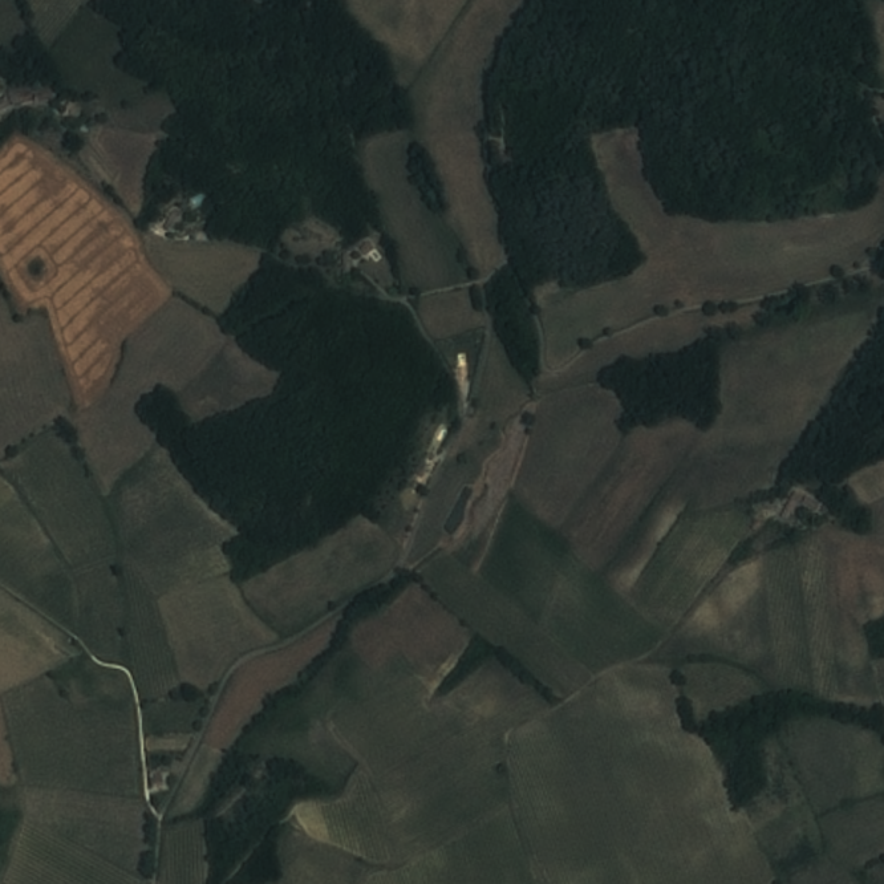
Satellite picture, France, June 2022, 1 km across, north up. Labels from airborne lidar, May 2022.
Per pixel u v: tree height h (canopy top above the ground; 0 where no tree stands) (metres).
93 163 0
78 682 0
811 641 0
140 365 0
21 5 15
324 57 19
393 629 0
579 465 0
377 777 0
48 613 0
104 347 0
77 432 21
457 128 0
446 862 0
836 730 0
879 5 0
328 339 9
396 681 0
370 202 16
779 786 0
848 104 19
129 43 22
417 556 0
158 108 0
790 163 16
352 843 0
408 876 0
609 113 13
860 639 0
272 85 19
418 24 0
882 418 13
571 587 0
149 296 0
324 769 0
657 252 0
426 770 0
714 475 0
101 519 0
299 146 18
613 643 0
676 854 0
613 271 16
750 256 0
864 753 0
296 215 11
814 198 13
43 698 0
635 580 0
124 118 0
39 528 0
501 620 0
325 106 21
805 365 0
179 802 0
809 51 15
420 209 0
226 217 15
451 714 0
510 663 13
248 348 16
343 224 8
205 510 0
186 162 14
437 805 0
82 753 0
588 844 0
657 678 0
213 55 19
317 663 15
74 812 0
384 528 0
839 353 0
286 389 8
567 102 6
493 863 0
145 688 0
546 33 16
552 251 18
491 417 0
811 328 0
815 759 0
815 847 0
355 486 6
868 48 14
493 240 0
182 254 0
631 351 0
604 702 0
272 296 19
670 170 17
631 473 0
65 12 0
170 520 0
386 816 0
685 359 23
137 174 0
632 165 0
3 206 0
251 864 7
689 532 0
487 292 7
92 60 0
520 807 0
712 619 0
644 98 19
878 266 24
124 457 0
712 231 0
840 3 13
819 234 0
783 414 0
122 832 0
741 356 0
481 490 0
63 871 0
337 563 0
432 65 0
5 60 18
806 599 0
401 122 23
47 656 0
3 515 0
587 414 0
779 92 18
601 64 15
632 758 0
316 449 20
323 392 6
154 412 15
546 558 0
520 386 0
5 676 0
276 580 0
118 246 0
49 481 0
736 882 0
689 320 0
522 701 0
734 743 6
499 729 0
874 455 13
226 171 11
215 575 0
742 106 20
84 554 0
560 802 0
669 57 26
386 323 5
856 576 0
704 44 18
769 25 15
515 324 8
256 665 0
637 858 0
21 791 0
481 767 0
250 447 12
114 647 0
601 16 20
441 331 0
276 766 20
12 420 0
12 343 0
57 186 0
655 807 0
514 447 0
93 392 0
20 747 0
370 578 0
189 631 0
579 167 14
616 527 0
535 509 0
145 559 0
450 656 0
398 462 6
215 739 0
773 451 0
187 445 16
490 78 22
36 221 0
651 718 0
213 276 0
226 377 0
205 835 9
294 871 0
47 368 0
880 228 0
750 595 0
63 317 0
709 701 0
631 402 15
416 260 0
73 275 0
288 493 13
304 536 10
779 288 0
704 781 0
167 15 20
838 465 17
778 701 9
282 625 0
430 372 6
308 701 0
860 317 0
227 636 0
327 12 21
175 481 0
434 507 0
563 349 0
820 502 14
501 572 0
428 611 0
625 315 0
